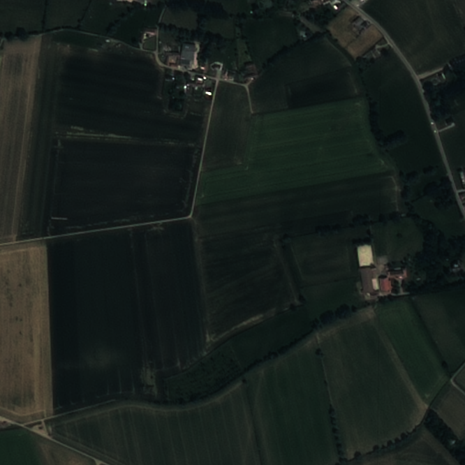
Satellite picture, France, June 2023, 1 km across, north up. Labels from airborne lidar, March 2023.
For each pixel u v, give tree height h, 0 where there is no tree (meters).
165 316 0
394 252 0
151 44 0
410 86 0
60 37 0
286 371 0
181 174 0
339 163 0
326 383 7
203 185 0
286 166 0
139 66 0
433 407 0
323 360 0
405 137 17
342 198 0
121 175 0
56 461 0
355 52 0
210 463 0
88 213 0
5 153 0
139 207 0
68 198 0
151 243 0
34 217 0
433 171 12
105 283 0
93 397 0
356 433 0
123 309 0
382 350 0
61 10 0
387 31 0
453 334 0
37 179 0
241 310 0
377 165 0
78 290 0
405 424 0
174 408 0
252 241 0
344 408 0
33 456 0
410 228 0
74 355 0
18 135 0
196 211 0
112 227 0
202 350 0
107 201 0
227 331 0
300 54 0
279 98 0
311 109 0
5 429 0
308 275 0
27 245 0
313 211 0
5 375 0
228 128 0
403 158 0
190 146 0
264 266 0
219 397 0
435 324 0
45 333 0
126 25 0
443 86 9
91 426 0
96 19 0
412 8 0
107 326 0
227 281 0
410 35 0
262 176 0
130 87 0
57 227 0
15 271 0
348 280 0
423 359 0
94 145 0
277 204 0
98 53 0
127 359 0
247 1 0
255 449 0
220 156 0
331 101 0
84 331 0
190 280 0
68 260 0
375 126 16
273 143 0
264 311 0
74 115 0
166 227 0
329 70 0
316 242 0
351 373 0
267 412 0
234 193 0
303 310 0
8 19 0
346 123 0
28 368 0
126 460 0
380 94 0
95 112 0
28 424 0
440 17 0
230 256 0
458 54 0
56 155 0
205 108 0
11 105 0
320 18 7
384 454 0
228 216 0
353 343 0
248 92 0
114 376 0
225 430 0
